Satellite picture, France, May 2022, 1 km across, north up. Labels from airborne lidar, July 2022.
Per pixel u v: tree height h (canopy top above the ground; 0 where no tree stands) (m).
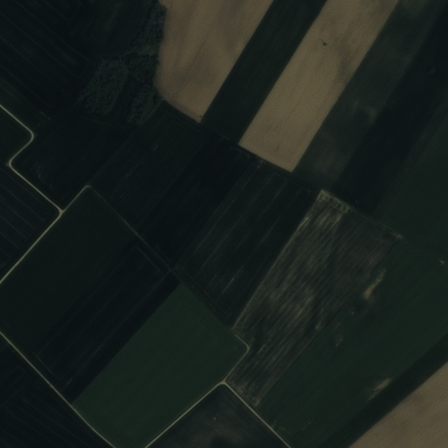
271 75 0
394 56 0
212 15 0
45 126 0
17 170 0
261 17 0
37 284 0
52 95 0
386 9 0
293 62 0
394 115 0
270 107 0
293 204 0
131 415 0
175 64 0
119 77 24
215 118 0
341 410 0
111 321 0
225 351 0
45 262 0
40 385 0
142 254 0
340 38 0
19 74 0
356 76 0
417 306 0
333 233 0
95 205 0
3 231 0
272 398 0
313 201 0
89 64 0
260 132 0
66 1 0
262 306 0
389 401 0
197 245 0
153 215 0
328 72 0
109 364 0
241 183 0
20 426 0
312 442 0
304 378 0
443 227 0
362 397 0
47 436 0
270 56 0
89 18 0
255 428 0
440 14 0
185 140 0
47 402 0
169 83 0
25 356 0
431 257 0
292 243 0
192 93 0
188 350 0
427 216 0
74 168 0
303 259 0
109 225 0
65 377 0
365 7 0
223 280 0
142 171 0
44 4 0
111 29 0
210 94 0
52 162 0
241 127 0
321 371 0
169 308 0
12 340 0
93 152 0
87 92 19
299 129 0
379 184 0
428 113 0
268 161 0
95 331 0
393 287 0
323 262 0
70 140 0
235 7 0
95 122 0
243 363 0
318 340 0
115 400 0
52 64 0
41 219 0
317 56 0
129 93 0
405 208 0
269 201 0
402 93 0
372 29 0
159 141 0
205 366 0
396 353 0
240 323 0
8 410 0
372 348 0
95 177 0
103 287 0
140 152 0
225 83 0
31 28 0
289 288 0
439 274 0
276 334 0
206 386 0
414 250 0
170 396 0
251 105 0
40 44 0
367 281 0
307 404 0
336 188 0
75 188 0
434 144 0
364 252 0
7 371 0
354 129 0
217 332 0
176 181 0
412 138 0
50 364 0
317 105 0
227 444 0
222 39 0
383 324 0
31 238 0
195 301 0
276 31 0
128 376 0
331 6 0
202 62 0
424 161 0
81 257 0
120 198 0
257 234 0
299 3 0
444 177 0
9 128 0
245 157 0
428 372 0
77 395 0
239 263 0
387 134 0
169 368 0
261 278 0
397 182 0
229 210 0
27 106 0
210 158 0
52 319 0
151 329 0
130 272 0
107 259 0
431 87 0
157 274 0
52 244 0
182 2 0
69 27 0
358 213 0
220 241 0
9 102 0
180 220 0
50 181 0
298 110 0
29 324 0
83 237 0
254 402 0
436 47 0
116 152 0
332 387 0
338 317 0
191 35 0
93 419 0
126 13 0
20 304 0
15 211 0
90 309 0
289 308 0
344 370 0
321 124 0
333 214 0
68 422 0
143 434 0
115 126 0
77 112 0
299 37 0
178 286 0
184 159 0
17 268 0
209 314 0
